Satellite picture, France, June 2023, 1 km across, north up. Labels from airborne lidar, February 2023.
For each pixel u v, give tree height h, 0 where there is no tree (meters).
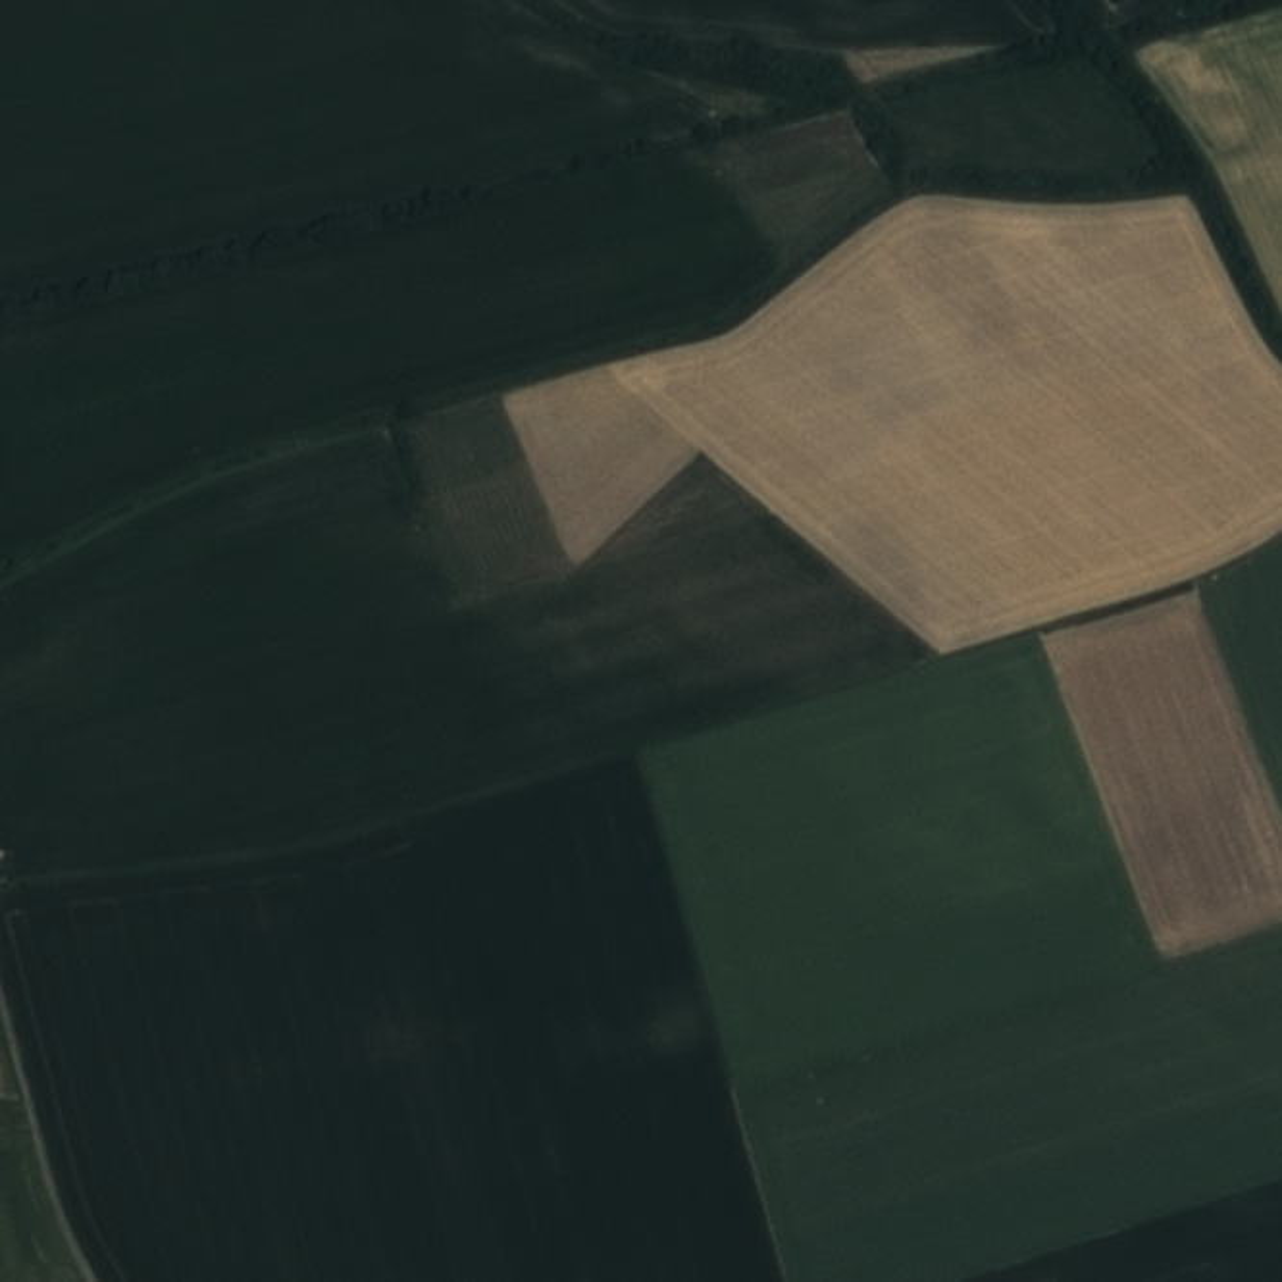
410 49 0
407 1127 0
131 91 0
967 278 0
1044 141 0
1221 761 0
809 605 0
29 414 0
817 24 0
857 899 0
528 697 0
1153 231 0
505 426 0
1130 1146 0
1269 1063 0
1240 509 0
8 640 0
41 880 0
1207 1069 0
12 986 0
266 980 0
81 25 0
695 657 0
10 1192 0
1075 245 0
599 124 0
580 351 0
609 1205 0
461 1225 0
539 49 0
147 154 0
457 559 0
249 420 0
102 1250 0
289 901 0
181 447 0
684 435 0
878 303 0
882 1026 0
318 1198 0
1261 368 0
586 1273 0
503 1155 0
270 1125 0
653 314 0
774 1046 0
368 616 0
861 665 0
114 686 0
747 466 0
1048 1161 0
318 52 0
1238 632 0
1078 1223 0
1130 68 11
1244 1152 0
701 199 0
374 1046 0
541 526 0
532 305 0
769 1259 0
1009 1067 0
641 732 0
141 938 0
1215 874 0
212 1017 0
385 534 0
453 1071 0
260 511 0
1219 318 0
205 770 0
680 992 0
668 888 0
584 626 0
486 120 0
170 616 0
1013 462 0
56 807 0
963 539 0
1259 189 0
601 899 0
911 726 0
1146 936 0
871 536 0
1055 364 0
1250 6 10
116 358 0
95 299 13
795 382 0
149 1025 0
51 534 0
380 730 0
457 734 0
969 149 0
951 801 0
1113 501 0
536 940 0
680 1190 0
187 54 0
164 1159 0
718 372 0
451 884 0
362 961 0
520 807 0
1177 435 0
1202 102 0
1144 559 0
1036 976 0
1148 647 0
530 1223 0
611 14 0
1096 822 0
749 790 0
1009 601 0
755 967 0
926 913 0
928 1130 0
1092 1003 0
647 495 0
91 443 0
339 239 17
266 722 0
